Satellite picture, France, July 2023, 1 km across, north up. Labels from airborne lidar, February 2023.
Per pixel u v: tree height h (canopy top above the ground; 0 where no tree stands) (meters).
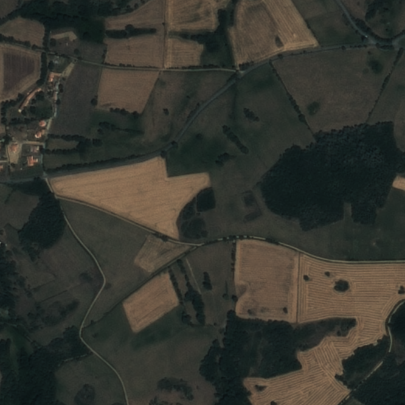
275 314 0
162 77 0
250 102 0
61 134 0
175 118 0
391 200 0
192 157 0
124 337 0
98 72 0
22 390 7
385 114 0
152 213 0
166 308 0
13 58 0
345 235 0
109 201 0
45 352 9
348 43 0
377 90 0
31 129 0
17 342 0
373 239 0
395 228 0
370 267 0
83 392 0
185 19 0
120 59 0
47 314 0
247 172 0
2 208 0
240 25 0
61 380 0
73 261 0
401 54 10
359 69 0
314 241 0
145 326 0
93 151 0
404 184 0
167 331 0
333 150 12
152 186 0
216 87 0
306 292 0
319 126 0
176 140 0
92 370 0
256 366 0
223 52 0
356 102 0
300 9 0
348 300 0
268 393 0
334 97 0
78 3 10
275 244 7
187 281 10
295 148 9
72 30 0
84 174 0
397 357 0
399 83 0
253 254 0
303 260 0
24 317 0
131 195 0
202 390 0
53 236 9
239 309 0
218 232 0
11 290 7
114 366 0
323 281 0
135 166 0
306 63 0
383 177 13
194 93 0
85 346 9
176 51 0
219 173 0
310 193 8
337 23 0
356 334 0
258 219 0
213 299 0
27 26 0
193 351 0
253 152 0
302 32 0
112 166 0
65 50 0
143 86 0
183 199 0
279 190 7
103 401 0
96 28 0
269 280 0
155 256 0
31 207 0
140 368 0
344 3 0
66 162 0
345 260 0
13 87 0
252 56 0
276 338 7
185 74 0
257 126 0
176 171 0
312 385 0
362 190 11
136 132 6
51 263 0
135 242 0
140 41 0
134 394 0
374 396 10
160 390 0
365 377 0
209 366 17
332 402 0
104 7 14
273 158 0
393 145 10
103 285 0
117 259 0
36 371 17
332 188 7
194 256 0
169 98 0
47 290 0
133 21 0
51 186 0
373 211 13
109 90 0
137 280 0
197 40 14
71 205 0
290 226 0
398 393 11
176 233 0
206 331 0
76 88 0
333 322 0
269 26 0
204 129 0
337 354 0
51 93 7
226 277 0
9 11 0
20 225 0
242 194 0
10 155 0
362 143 16
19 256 0
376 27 0
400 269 0
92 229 0
